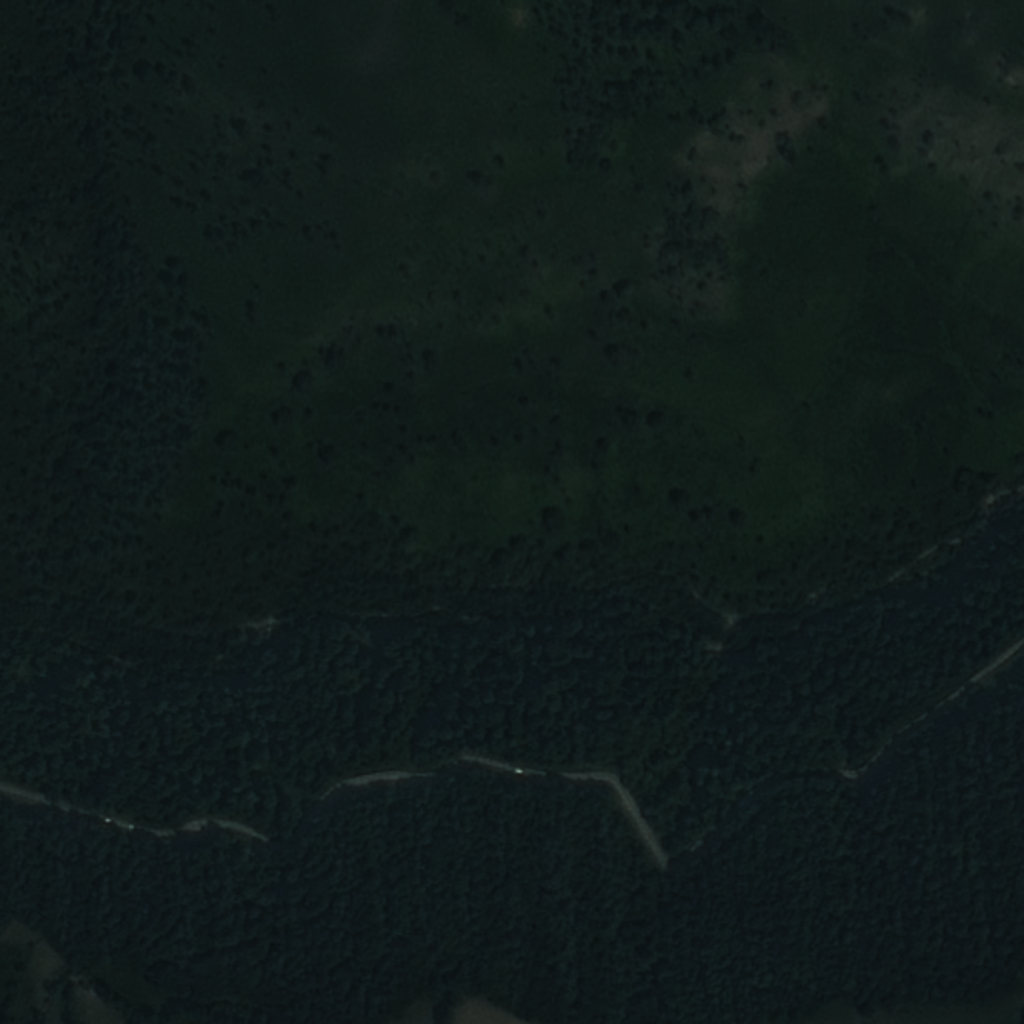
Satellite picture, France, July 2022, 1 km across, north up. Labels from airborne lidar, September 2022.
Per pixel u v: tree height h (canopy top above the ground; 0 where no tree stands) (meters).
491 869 27
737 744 9
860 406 0
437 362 14
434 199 0
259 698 37
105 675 19
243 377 0
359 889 27
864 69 0
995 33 0
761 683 26
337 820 23
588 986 27
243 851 28
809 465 0
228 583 10
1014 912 25
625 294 26
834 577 20
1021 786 18
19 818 23
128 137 20
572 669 34
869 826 20
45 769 30
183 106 0
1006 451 0
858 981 22
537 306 0
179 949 20
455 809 19
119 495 7
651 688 25
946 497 10
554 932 27
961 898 27
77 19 23
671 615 9
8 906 24
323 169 20
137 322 9
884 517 13
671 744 31
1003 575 29
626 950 22
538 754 13
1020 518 20
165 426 8
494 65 0
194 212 17
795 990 23
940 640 30
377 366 0
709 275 11
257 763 35
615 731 35
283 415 16
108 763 31
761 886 27
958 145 8
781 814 24
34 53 9
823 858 17
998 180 0
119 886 22
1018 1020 0
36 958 0
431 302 15
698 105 13
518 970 33
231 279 0
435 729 35
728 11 24
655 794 8
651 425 12
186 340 23
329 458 29
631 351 7
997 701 27
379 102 0
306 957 26
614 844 24
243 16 0
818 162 0
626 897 25
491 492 0
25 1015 0
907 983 24
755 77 0
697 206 17
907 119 0
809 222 0
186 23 0
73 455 28
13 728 21
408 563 15
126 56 27
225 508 13
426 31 0
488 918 28
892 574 8
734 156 0
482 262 14
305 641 24
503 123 0
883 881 29
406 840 27
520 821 19
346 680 29
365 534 16
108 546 18
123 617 12
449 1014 19
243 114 9
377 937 33
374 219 0
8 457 8
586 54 16
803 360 0
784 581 12
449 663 29
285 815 31
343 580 11
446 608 8
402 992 17
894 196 0
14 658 27
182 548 7
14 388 11
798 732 31
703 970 18
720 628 13
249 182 19
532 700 35
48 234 6
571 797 22
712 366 0
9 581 18
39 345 17
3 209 7
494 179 14
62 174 10
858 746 28
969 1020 0
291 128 11
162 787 31
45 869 30
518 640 37
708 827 13
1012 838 33
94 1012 0
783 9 0
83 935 26
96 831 22
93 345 10
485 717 37
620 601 23
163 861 27
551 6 18
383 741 28
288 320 0
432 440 13
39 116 15
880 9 0
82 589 12
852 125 0
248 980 28
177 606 14
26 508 12
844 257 0
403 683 35
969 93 0
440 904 24
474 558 22
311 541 10
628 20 22
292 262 0
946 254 0
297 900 20
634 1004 29
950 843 32
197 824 0
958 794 23
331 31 0
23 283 20
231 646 14
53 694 28
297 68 0
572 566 11
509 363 0
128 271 6
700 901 28
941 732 14
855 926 13
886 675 19
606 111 21
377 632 6
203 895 29
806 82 0
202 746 11
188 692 24
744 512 10
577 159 18
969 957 32
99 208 29
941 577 8
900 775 23
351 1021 32
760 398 0
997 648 25
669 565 15
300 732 16
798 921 26
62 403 26
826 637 22
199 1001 18
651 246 16
